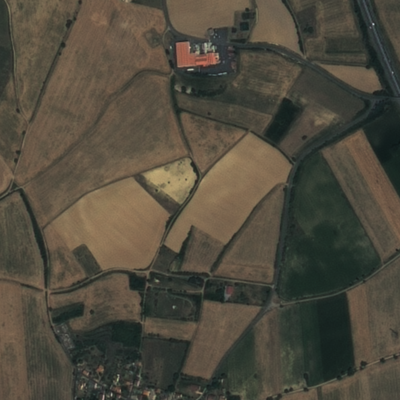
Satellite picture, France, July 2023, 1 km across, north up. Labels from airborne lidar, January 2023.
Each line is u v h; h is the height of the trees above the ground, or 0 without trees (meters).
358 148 0
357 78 0
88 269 0
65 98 0
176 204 0
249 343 0
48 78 0
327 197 0
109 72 0
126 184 0
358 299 0
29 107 0
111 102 0
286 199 0
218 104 0
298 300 9
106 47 0
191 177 0
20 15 0
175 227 0
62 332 0
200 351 0
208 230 0
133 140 0
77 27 0
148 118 0
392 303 0
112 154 0
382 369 0
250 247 0
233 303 0
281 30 0
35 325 0
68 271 0
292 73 0
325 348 0
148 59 0
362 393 0
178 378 12
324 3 0
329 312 0
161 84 0
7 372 0
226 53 0
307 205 0
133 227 0
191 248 0
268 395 0
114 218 0
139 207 0
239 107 0
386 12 0
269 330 0
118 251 0
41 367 0
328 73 0
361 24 11
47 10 0
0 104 0
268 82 0
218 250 0
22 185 0
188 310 0
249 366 0
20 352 0
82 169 0
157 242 0
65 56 0
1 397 0
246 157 0
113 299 0
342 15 0
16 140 0
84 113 0
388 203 0
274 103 0
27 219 0
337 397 0
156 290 8
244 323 0
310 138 0
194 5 0
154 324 0
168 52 10
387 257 0
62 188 0
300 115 0
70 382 0
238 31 0
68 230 0
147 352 0
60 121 0
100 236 0
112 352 0
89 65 0
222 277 0
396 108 0
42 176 0
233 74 0
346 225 0
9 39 0
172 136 0
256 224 0
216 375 0
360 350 0
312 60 0
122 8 0
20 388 0
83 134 0
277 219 0
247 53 0
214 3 0
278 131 0
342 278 0
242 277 0
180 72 0
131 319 0
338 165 0
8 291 0
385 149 0
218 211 0
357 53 0
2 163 0
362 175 0
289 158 0
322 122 0
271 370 0
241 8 0
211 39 0
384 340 0
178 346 0
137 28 0
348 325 0
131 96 0
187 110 0
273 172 0
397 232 0
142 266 0
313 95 0
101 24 0
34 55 0
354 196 0
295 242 0
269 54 0
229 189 0
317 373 0
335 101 0
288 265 0
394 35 0
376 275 0
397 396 0
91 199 0
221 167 0
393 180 0
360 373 0
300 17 0
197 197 0
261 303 0
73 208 0
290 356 0
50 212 0
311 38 0
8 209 0
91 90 0
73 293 0
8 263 0
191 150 0
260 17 0
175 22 0
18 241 0
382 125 0
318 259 0
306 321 0
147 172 0
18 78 0
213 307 0
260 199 0
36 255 0
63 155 0
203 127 0
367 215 0
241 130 0
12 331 0
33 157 0
